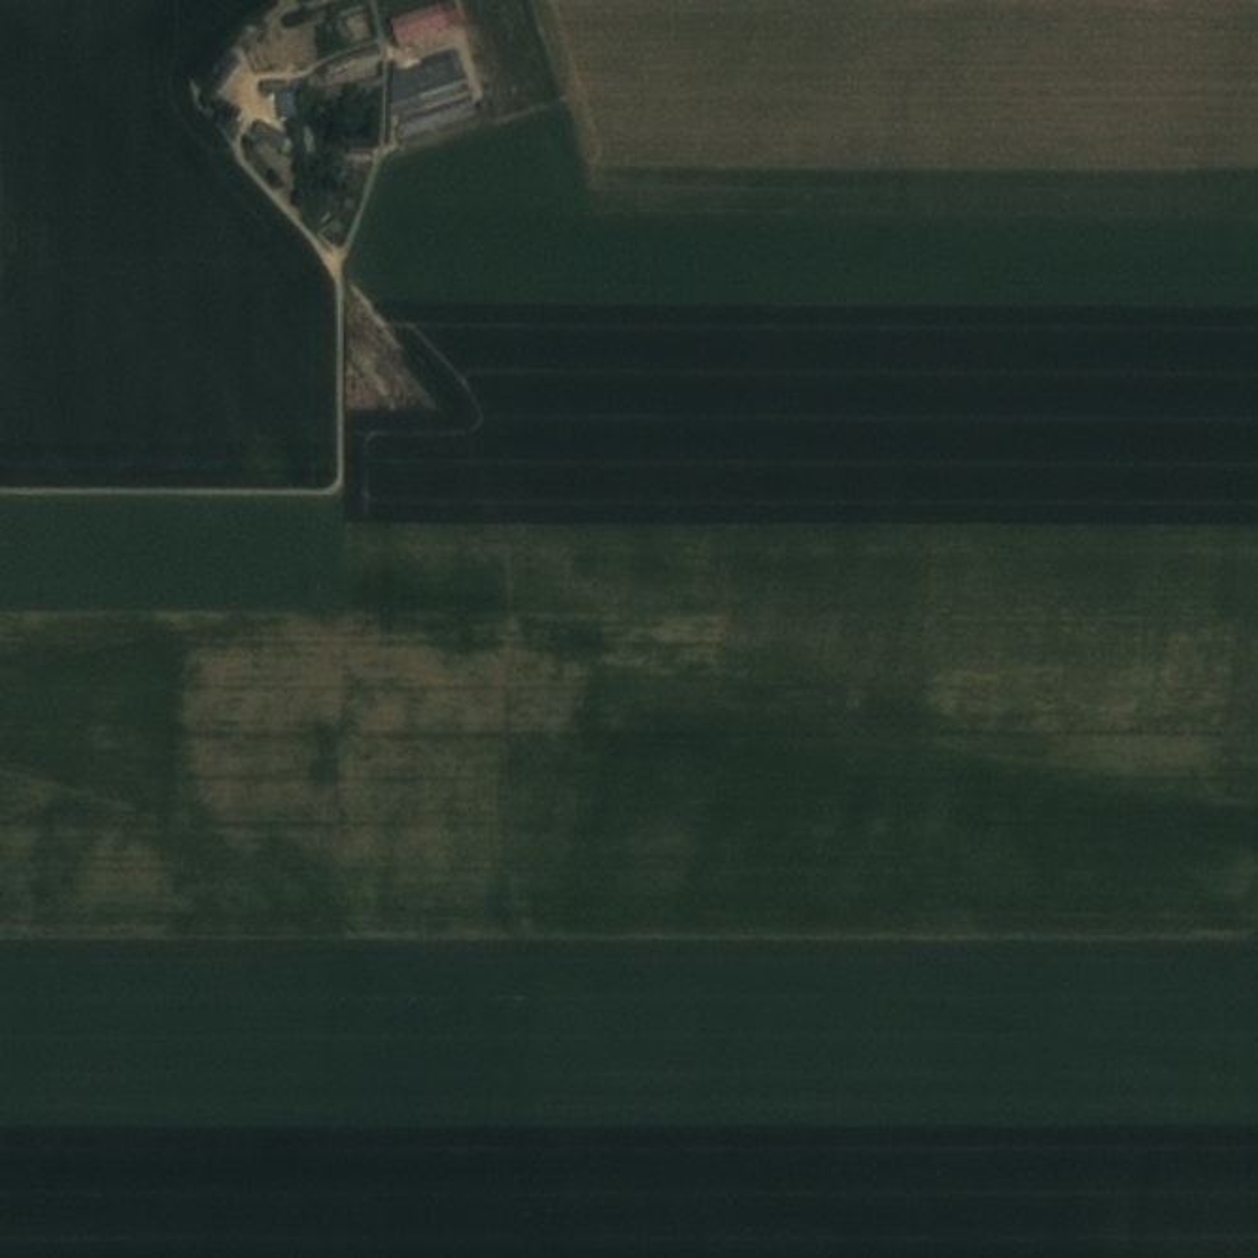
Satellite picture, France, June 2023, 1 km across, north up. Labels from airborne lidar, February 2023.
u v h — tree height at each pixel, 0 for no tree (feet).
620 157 0
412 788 0
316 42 0
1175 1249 0
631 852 0
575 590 0
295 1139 0
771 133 0
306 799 0
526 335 0
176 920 0
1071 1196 0
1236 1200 0
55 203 0
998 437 0
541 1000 0
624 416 0
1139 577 0
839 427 0
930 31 0
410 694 0
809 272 0
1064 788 0
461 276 0
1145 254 0
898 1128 0
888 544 0
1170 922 0
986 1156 0
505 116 0
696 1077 0
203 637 0
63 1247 0
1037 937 0
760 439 0
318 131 23
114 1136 0
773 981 0
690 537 0
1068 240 0
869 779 0
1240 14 0
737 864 0
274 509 0
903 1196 0
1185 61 0
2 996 0
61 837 0
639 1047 0
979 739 0
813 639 0
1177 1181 0
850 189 0
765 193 0
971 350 0
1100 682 0
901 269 0
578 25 0
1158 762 0
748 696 0
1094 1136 0
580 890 0
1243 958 0
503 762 0
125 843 0
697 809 0
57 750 0
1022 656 0
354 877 0
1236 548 0
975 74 0
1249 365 0
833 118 0
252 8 0
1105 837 0
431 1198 0
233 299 0
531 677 0
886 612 0
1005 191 0
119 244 0
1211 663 0
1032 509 0
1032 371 0
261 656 0
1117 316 0
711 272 0
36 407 0
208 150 0
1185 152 0
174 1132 0
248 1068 0
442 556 0
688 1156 0
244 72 0
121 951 0
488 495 0
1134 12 0
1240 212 0
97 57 0
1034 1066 0
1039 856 0
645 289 0
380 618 0
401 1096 0
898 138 0
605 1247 0
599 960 0
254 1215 0
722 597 0
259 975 0
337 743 0
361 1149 0
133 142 0
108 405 0
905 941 0
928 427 0
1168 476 0
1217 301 0
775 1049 0
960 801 0
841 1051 0
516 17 0
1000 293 0
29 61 0
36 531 0
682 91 0
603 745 0
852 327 0
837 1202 0
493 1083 0
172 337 0
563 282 0
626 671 0
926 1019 0
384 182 0
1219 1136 0
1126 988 0
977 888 0
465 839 0
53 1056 0
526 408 0
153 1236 0
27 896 0
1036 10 0
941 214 0
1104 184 0
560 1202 0
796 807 0
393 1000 0
